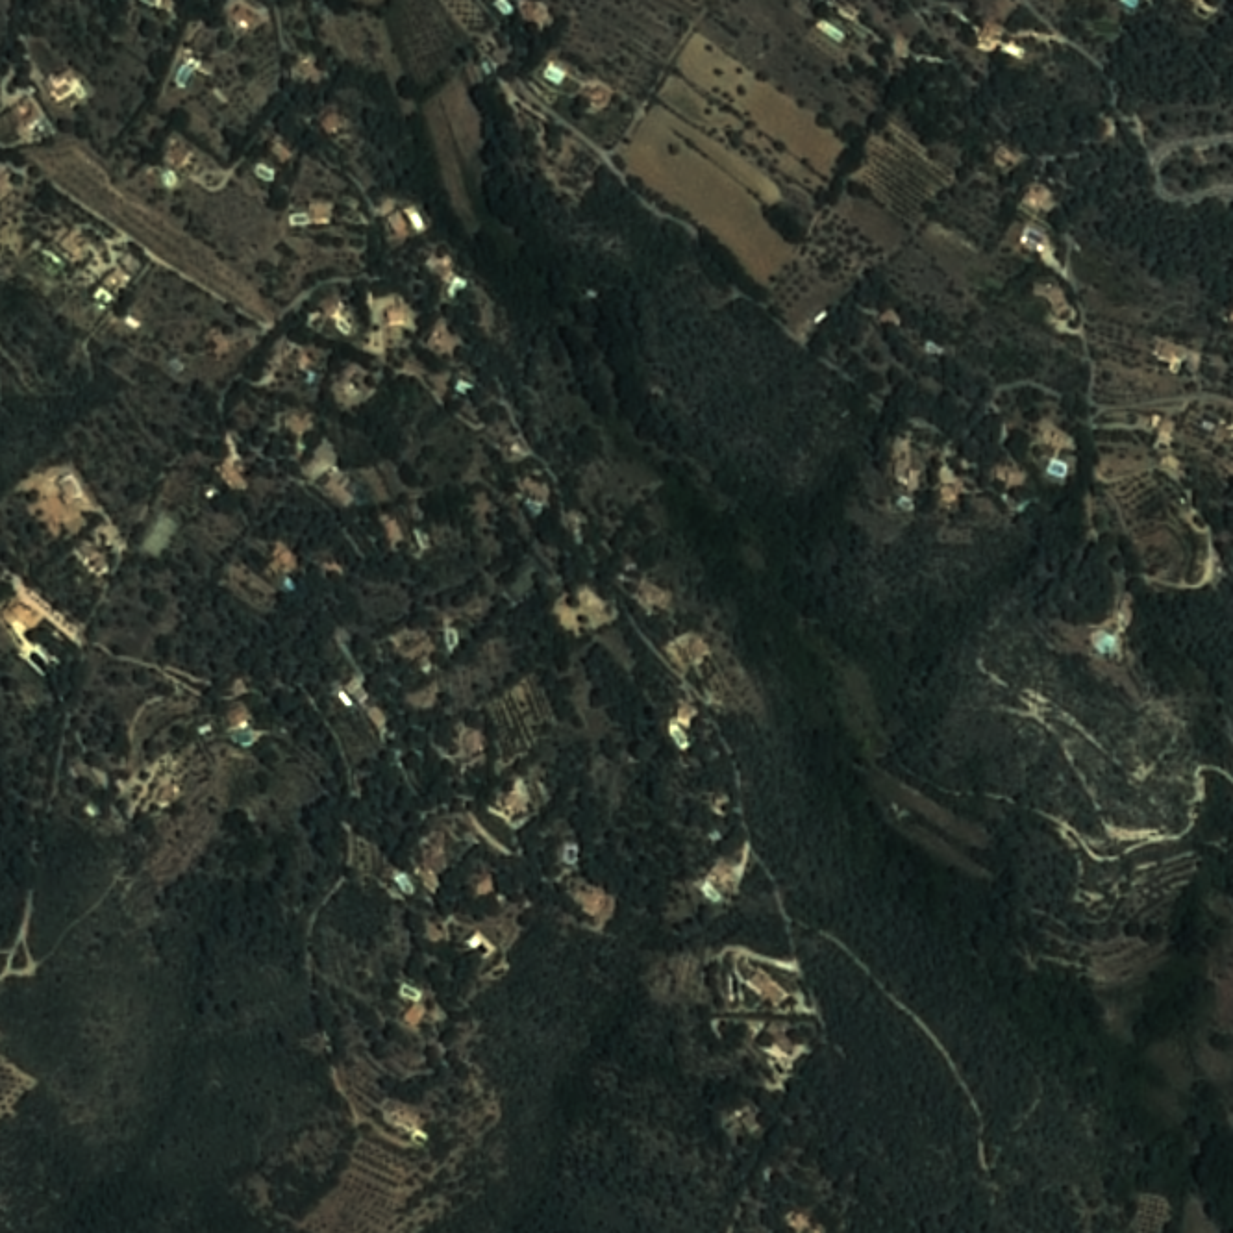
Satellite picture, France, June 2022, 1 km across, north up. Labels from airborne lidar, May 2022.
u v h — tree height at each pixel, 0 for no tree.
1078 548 12
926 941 10
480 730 7
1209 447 6
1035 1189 8
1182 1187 8
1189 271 16
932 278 0
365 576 14
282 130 14
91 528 6
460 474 8
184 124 11
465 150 0
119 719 9
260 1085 6
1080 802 7
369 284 8
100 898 0
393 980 7
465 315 17
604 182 8
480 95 18
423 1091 14
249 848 8
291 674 17
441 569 7
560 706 13
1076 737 0
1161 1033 8
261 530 7
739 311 7
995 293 6
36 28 8
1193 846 7
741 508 6
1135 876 8
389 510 9
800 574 14
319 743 12
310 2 10
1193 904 6
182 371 0
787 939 8
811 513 9
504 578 10
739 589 11
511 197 20
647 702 6
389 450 9
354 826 16
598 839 17
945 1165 9
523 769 15
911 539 6
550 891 20
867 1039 8
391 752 13
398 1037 13
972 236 7
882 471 14
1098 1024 10
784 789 8
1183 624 18
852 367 12
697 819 18
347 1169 7
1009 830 7
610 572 15
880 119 14
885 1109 6
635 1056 14
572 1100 11
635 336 16
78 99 0
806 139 0
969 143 10
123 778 7
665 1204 6
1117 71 17
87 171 0
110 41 9
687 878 14
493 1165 6
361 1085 0
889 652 10
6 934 9
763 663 11
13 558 15
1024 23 9
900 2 8
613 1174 8
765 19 0
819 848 11
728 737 8
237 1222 7
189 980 6
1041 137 14
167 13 8
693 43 0
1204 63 13
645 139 0
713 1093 13
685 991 0
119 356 8
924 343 7
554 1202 8
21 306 7
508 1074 7
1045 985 18
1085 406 11
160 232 0
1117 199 9
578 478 8
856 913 12
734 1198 9
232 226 0
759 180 0
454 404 10
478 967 13
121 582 9
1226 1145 19
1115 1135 7
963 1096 8
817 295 0
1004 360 9
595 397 20
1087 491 10
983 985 12
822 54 0
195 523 7
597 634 7
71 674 14
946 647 7
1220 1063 0
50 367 7
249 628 10
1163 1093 0
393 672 15
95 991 0
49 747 8
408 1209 6
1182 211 15
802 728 9
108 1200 7
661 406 23
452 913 17
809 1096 16
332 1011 10
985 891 12
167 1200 7
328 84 11
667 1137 8
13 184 7
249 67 11
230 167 6
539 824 9
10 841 19
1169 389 0
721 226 0
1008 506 6
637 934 9
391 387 7
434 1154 6
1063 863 9
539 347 19
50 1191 8
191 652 15
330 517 11
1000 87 16
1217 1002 0
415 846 12
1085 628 13
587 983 6
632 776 9
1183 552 0
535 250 16
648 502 8
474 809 12
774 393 9
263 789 7
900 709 12
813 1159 9
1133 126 8
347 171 6
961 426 14
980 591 6
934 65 7
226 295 0
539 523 11
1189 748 8
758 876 10
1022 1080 8
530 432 15
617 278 8
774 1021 6
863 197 12
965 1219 16
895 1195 10
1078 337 6
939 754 7
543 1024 9
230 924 19
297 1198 6
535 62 10
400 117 6
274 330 7
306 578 16
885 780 0
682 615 6
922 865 11
